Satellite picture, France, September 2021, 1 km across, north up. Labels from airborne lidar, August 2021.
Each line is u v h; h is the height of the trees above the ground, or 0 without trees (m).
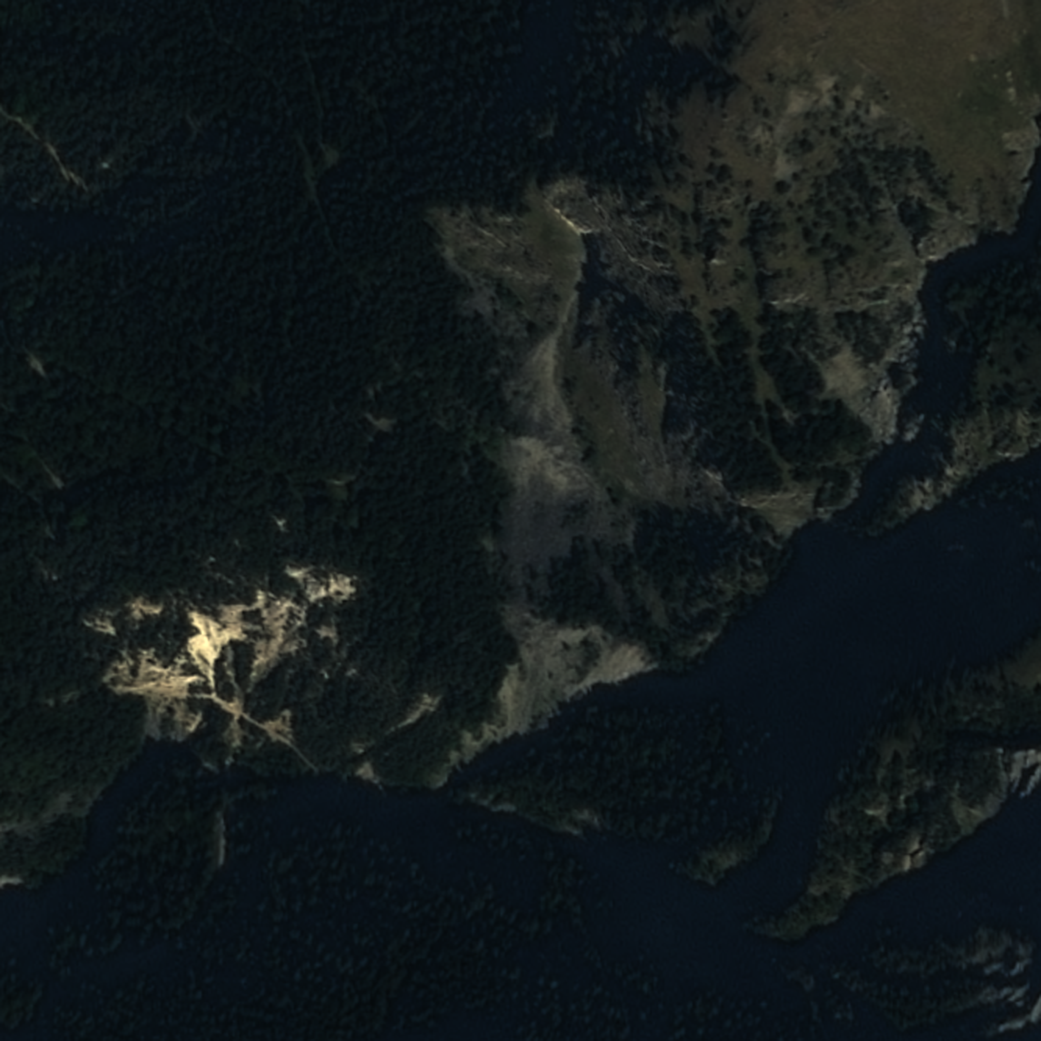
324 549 22
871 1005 9
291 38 16
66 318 26
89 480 18
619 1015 13
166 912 19
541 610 19
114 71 18
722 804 15
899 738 14
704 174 6
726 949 7
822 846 17
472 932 19
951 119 0
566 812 11
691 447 8
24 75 17
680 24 0
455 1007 20
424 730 7
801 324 18
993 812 0
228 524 15
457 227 7
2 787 14
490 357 17
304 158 10
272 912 27
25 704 20
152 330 31
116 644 10
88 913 12
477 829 20
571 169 23
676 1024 22
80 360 20
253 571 17
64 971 8
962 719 9
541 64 8
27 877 6
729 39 11
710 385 34
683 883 7
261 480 22
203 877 21
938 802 8
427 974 9
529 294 0
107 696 25
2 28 12
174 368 21
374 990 23
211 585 12
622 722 18
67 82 14
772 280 7
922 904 0
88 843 8
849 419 7
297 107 19
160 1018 16
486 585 23
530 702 0
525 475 0
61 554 18
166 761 12
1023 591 10
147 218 14
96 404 12
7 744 22
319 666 11
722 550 23
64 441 25
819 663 30
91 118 15
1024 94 0
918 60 0
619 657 0
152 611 9
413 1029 18
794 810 16
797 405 25
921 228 9
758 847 6
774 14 0
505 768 23
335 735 11
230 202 17
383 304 18
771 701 14
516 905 14
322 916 16
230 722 8
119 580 20
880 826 8
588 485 0
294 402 22
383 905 8
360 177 20
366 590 17
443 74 17
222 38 12
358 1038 11
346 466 15
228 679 6
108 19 23
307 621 7
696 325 10
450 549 23
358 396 22
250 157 22
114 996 18
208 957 15
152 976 11
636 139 6
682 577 11
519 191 13
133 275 28
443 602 24
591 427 12
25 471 21
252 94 14
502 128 22
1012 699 9
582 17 14
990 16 0
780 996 9
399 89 17
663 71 10
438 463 27
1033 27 0
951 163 0
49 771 12
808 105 0
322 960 30
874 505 17
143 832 21
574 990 14
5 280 27
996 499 10
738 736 13
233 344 25
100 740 21
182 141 22
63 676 24
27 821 9
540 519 5
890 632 25
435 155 34
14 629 27
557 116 13
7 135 9
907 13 0
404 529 29
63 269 24
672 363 29
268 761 9
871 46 0
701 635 19
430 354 23
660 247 14
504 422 19
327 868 33
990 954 9
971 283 12
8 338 18
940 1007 18
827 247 13
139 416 7
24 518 27
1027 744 6
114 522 18
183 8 21
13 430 21
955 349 14
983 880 0
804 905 13
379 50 38
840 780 20
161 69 10
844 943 13
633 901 0
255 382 12
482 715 13
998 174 0
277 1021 17
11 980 15
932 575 19
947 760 11
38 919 6
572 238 0
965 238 0
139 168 6
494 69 20
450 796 9
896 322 7
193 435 13
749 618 29
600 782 21
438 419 9
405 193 23
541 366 0
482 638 29
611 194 12
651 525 11
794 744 14
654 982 10
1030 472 10
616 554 10
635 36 0
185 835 24
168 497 17
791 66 0
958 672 13
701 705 19
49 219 21
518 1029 16
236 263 20
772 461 7
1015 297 12
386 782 11
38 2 21
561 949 13
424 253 24
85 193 14
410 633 30
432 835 13
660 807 13
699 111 0
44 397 22
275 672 7
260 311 21
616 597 0
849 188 7
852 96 0
